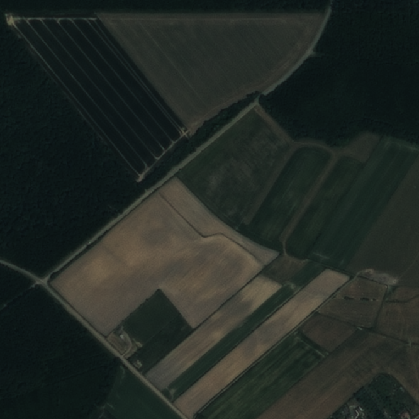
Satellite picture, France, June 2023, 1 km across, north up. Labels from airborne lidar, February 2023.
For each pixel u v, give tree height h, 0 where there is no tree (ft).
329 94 37
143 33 0
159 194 0
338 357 0
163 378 0
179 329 0
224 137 0
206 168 0
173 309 0
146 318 0
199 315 0
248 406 0
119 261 0
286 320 0
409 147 0
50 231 74
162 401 0
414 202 0
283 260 0
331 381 0
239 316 0
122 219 0
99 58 0
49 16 0
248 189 0
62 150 74
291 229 0
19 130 64
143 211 0
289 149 0
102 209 74
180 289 0
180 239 0
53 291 0
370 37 35
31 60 64
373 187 0
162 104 0
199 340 0
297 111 41
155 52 0
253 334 0
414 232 0
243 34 0
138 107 0
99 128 0
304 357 0
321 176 0
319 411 0
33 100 73
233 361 0
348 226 0
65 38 0
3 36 82
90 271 0
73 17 0
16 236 96
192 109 0
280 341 0
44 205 102
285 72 0
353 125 56
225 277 0
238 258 0
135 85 0
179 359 0
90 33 0
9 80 72
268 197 0
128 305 0
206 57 0
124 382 0
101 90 0
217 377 0
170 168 21
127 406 0
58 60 0
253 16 0
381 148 0
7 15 0
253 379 0
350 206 0
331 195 0
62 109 61
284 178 0
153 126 0
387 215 0
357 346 0
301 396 0
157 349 0
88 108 0
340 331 0
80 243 44
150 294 0
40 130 70
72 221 80
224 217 0
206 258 0
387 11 80
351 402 0
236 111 28
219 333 0
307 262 0
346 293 0
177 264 0
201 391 0
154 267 0
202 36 0
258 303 0
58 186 73
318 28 0
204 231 0
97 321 0
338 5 80
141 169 0
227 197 0
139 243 0
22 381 52
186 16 0
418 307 0
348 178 0
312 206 0
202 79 0
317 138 32
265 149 0
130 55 0
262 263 0
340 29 31
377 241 0
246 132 0
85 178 79
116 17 0
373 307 0
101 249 0
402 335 0
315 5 70
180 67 0
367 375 0
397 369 0
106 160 84
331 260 0
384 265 0
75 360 20
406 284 0
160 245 0
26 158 68
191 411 0
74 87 0
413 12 74
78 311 0
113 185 81
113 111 0
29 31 0
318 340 0
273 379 0
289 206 0
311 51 0
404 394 0
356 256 0
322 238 0
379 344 0
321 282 0
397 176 0
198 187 0
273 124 0
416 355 0
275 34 0
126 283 0
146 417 0
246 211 0
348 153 0
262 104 47
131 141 0
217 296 0
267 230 0
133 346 0
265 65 0
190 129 0
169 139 0
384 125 58
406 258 0
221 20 0
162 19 0
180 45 0
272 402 0
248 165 0
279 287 0
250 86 0
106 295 0
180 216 0
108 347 0
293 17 0
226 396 0
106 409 0
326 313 0
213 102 0
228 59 0
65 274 0
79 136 72
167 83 0
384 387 0
